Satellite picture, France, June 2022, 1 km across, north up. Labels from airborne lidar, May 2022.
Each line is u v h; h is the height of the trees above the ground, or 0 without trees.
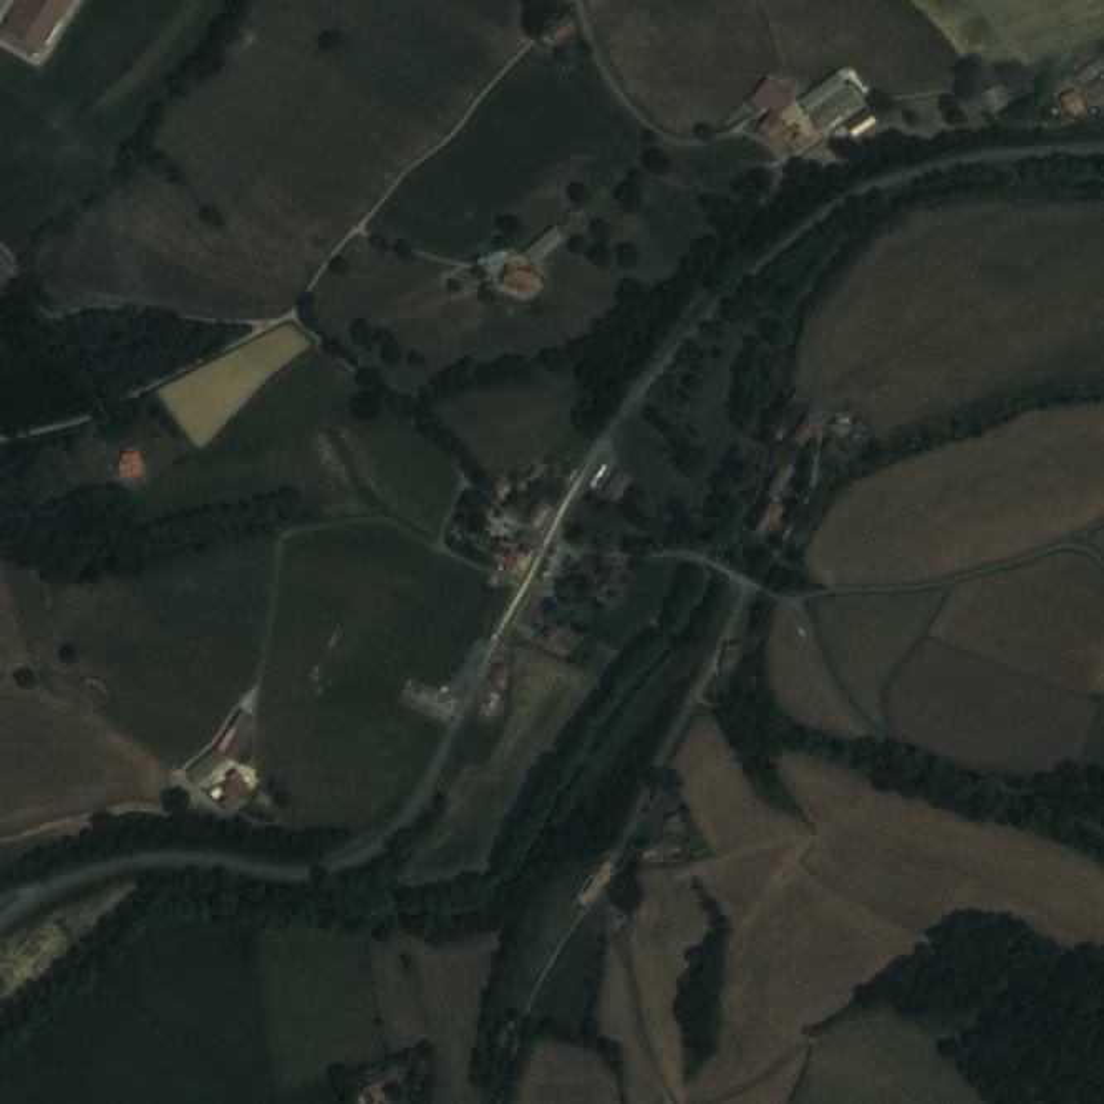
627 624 0
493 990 10
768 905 0
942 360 0
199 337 21
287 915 30
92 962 18
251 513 18
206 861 0
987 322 0
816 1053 0
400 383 0
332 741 0
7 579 0
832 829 0
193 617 0
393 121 0
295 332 0
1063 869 0
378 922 8
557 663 0
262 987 0
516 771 0
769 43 0
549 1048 0
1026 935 25
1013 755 0
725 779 0
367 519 0
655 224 0
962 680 0
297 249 0
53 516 18
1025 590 0
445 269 0
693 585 27
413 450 0
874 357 0
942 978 21
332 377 0
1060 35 0
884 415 0
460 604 0
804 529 0
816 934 0
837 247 10
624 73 0
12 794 0
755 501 0
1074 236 0
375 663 0
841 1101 0
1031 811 31
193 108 0
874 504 0
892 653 0
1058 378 0
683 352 11
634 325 22
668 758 0
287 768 0
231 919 21
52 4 0
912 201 11
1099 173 32
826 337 0
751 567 15
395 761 0
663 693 0
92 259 0
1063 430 0
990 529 0
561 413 0
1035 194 0
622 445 0
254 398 0
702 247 19
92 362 24
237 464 0
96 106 0
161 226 0
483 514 10
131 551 11
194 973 0
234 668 0
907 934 0
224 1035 0
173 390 0
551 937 0
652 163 17
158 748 0
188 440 0
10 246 0
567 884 0
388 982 0
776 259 6
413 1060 14
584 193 18
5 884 7
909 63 0
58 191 0
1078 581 0
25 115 0
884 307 0
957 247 0
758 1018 0
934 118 0
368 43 0
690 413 0
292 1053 0
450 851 0
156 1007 0
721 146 0
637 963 0
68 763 0
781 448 8
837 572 0
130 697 0
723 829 0
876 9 0
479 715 0
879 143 11
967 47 0
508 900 10
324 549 0
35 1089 0
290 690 0
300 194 0
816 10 0
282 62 0
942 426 0
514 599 0
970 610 0
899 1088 0
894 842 0
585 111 0
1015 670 0
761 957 0
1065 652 0
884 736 0
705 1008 23
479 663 0
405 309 0
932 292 0
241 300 0
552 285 0
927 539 0
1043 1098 22
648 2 0
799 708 0
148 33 0
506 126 0
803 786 0
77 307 0
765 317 0
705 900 8
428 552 0
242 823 16
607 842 16
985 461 0
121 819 8
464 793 0
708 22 0
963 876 0
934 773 28
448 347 0
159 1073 0
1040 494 0
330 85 0
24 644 0
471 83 0
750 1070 0
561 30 0
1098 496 0
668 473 0
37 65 0
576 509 0
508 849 28
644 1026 0
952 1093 0
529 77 0
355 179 0
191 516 21
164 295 0
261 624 0
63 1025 0
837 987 0
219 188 0
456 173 0
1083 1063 19
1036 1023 24
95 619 0
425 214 0
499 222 11
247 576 0
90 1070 0
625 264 16
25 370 6
